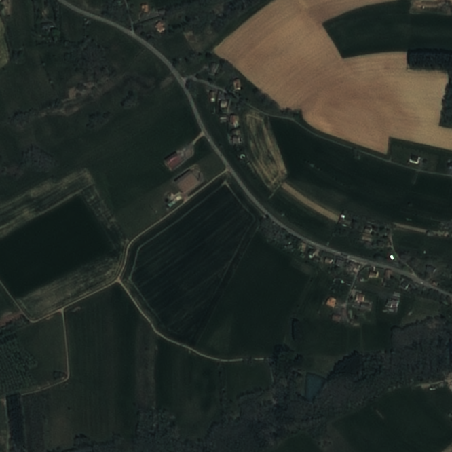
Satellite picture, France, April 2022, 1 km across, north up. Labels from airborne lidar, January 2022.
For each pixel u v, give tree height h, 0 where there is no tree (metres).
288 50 0
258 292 0
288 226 0
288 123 0
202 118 0
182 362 0
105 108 0
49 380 0
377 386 18
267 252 0
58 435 0
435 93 0
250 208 0
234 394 0
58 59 0
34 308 0
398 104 0
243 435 16
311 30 0
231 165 0
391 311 0
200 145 0
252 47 0
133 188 0
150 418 10
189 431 0
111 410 0
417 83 0
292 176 0
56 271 0
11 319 19
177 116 0
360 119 0
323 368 0
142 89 0
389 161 0
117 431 0
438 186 0
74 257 0
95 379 0
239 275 0
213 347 0
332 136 0
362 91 0
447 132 0
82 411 0
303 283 0
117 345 0
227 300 0
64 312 0
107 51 10
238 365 0
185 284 0
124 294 0
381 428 0
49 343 0
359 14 0
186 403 0
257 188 0
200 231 0
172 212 0
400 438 0
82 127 0
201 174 0
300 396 18
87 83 0
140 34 22
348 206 0
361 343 0
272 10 0
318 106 0
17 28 0
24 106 0
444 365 25
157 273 0
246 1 26
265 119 0
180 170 0
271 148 0
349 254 0
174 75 0
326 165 0
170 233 0
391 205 0
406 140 0
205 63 0
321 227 0
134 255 0
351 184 0
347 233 12
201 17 6
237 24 0
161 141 0
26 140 0
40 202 0
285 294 0
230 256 0
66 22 0
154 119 0
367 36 0
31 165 6
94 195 0
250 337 0
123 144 0
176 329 0
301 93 0
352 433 0
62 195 0
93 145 0
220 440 15
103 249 0
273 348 0
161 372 0
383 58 0
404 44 0
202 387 0
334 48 0
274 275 0
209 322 0
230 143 0
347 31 0
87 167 0
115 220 0
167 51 0
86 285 0
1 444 0
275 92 0
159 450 23
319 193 0
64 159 0
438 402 0
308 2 0
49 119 0
